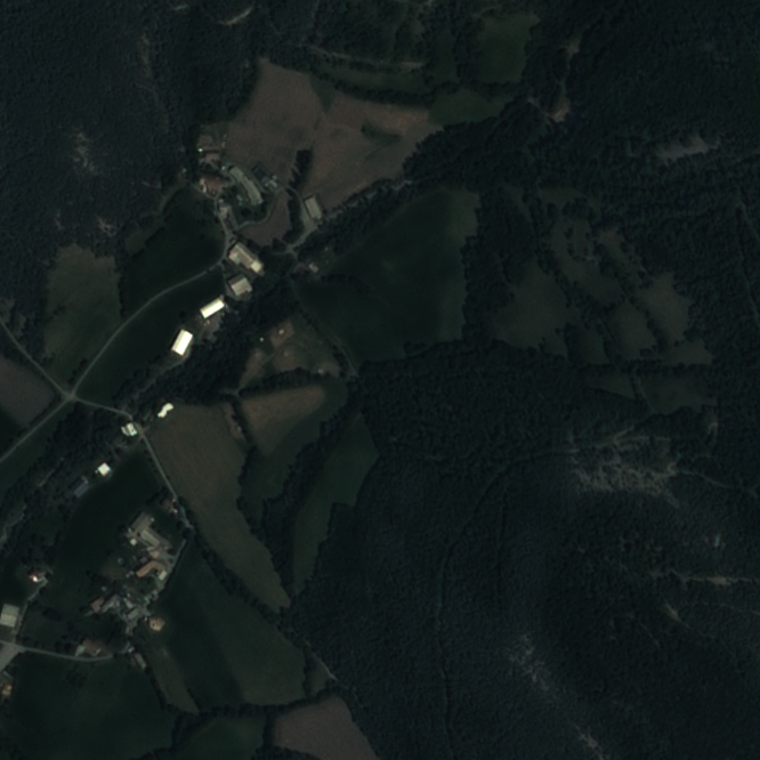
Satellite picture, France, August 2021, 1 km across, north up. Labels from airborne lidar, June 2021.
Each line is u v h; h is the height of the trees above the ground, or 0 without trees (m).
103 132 7
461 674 17
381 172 0
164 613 0
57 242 9
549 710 7
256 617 0
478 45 11
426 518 18
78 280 0
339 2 11
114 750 0
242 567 0
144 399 7
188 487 0
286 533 22
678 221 9
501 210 17
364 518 13
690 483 14
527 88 11
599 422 8
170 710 14
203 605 0
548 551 10
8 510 8
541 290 0
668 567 19
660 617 14
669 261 14
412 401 18
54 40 10
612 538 15
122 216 8
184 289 0
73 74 12
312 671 11
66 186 7
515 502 15
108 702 0
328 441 16
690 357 0
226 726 0
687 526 9
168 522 0
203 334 0
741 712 12
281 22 14
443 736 15
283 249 10
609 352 12
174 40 13
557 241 0
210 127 0
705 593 13
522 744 17
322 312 0
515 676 10
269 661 0
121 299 7
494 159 21
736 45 12
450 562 16
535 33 16
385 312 0
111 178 6
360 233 13
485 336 16
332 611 12
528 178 13
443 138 20
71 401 0
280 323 13
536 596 9
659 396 0
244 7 13
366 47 16
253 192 0
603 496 6
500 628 14
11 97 15
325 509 0
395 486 15
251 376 0
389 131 0
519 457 20
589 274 0
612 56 23
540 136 0
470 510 14
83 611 10
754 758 16
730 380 16
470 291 14
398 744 11
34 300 12
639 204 10
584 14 12
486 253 21
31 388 0
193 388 14
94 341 0
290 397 0
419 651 14
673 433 14
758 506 11
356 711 15
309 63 22
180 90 14
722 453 11
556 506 12
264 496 0
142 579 8
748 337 10
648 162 9
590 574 16
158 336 0
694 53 15
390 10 7
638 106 21
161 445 0
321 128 0
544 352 10
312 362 0
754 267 11
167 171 16
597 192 19
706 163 10
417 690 13
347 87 13
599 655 17
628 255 12
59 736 0
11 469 0
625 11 7
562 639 12
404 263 0
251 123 0
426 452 15
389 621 15
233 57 12
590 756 8
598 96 18
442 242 0
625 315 0
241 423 16
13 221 12
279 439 0
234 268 0
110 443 12
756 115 16
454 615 12
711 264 14
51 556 12
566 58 10
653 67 19
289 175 0
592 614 16
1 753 11
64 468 9
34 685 0
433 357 23
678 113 17
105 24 12
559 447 12
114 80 11
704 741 16
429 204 0
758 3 7
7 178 11
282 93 0
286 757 17
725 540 8
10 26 11
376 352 0
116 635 7
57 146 11
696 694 15
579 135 20
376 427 19
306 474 20
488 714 13
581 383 18
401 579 14
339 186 0
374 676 12
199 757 0
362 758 0
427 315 0
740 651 17
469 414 17
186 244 0
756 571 14
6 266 13
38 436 0
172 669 0
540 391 25
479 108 0
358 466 0
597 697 15
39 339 9
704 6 14
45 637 0
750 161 12
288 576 17
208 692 0
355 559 12
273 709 12
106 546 0
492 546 15
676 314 0
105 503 0
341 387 0
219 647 0
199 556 0
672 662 18
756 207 15
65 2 15
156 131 9
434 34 14
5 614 0
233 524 0
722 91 16
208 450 0
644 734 11
